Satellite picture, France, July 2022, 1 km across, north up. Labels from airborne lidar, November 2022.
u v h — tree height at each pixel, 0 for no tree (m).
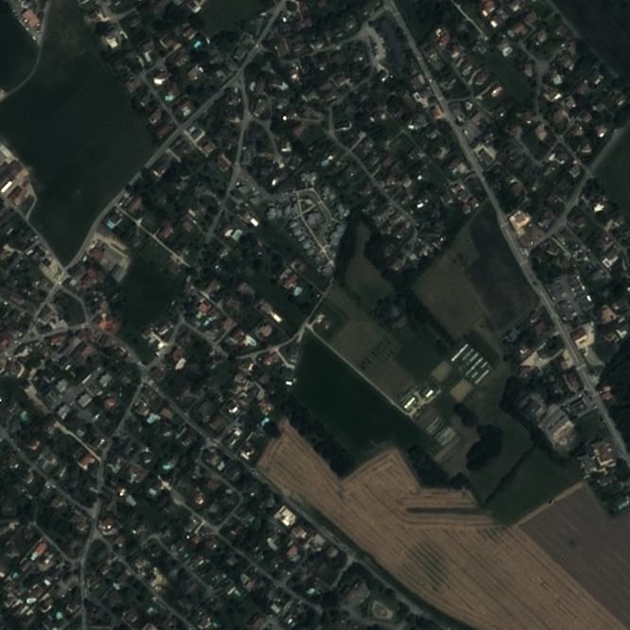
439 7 15
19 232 9
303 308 16
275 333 12
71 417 6
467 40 10
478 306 0
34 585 13
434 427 0
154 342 0
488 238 0
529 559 0
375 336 0
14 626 17
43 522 7
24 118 0
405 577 0
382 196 7
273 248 7
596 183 11
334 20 15
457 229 7
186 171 22
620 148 0
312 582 7
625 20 0
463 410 17
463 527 0
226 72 0
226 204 0
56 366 8
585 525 0
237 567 19
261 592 6
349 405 0
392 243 6
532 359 0
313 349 0
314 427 13
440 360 0
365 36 0
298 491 0
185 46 7
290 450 0
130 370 0
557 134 10
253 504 9
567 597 0
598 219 8
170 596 6
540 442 26
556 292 0
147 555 7
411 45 0
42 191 0
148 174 13
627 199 0
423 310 12
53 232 0
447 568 0
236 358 16
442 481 20
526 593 0
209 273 9
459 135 0
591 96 6
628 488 8
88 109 0
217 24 0
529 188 7
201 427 13
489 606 0
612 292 6
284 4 0
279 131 10
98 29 10
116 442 16
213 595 0
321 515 0
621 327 0
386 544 0
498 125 7
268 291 0
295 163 0
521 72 6
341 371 0
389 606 0
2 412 0
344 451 11
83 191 0
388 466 0
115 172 0
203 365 6
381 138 10
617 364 15
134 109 10
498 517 0
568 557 0
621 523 0
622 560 0
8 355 0
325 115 12
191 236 0
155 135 5
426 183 9
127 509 18
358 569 15
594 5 0
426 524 0
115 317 15
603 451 0
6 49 0
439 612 0
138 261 0
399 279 24
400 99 13
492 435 21
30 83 0
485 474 0
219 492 8
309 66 15
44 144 0
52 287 0
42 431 5
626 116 22
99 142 0
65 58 0
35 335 0
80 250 0
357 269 0
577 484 0
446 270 0
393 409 0
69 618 12
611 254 0
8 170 0
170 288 0
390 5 0
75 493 22
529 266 0
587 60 19
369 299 0
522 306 0
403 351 0
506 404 18
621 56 0
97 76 0
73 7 0
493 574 0
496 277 0
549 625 0
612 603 0
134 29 8
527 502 0
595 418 0
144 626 7
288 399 8
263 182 9
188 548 0
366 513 0
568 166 8
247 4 0
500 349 0
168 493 11
